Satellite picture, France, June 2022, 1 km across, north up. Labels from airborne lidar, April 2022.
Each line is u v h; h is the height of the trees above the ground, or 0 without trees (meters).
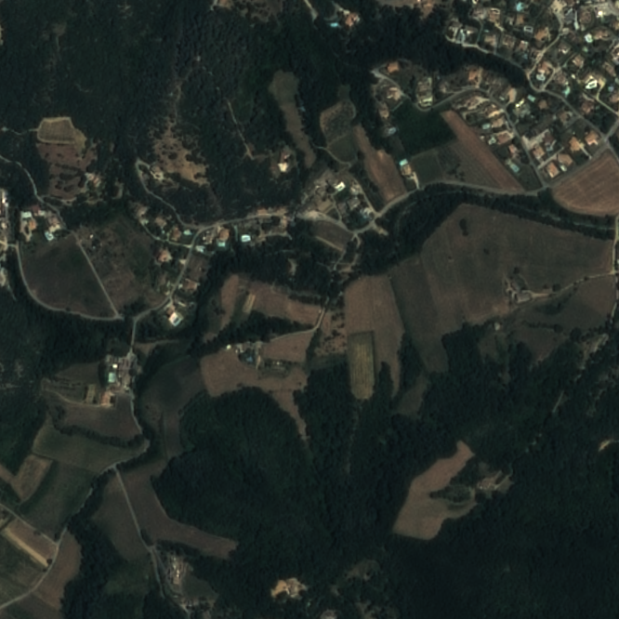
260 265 13
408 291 0
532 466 12
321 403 11
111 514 0
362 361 0
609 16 0
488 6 13
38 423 16
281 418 10
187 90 8
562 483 12
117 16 7
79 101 8
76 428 9
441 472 0
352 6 17
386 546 13
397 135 9
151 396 0
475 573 12
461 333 13
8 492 6
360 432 6
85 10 9
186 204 7
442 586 17
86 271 0
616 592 20
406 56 19
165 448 0
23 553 0
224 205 7
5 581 0
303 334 0
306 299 6
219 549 0
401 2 0
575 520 17
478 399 13
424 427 15
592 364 10
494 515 15
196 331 13
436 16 20
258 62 13
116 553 7
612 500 7
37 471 0
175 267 19
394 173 0
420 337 0
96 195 9
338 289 16
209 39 13
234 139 8
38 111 10
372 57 23
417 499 0
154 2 10
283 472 9
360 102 9
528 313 0
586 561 16
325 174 0
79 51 6
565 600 14
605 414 9
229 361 0
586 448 8
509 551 9
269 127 12
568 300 0
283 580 17
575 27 0
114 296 0
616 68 9
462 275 0
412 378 9
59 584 0
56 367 9
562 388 14
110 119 11
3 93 8
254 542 6
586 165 0
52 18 8
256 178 9
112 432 0
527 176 0
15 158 10
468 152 0
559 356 12
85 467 0
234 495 9
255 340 8
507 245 0
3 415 8
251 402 13
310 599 10
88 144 11
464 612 17
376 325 0
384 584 5
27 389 7
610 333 8
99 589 10
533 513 16
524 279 0
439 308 0
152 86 7
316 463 11
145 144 7
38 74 8
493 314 0
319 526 13
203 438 8
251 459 7
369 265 10
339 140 0
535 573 12
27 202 9
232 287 0
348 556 13
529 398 11
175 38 7
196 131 8
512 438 7
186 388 0
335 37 16
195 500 11
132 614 8
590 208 0
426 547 8
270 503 9
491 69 12
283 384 0
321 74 7
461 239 0
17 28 7
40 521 0
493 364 11
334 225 0
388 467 7
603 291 0
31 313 8
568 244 0
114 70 7
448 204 11
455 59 30
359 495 12
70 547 0
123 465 13
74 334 12
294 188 10
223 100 13
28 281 0
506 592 9
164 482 13
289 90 0
